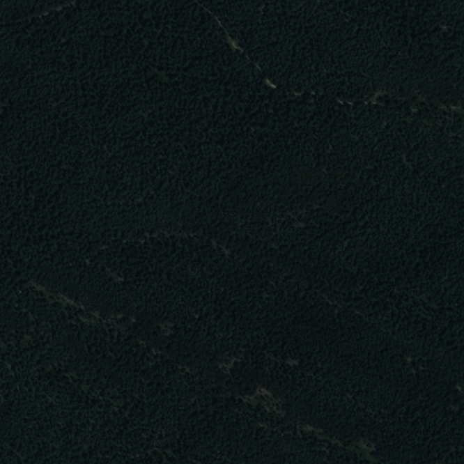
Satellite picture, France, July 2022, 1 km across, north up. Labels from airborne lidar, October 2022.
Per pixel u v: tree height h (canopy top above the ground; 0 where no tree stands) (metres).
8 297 24
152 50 29
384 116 20
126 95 21
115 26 23
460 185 12
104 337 12
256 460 14
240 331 19
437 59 23
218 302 18
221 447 18
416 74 20
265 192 21
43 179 23
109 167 13
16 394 22
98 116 13
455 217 22
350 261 23
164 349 26
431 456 20
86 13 17
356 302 29
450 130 14
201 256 21
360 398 18
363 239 13
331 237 9
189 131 13
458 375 16
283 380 21
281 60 25
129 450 32
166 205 16
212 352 18
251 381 21
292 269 18
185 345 23
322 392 23
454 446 28
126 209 15
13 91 23
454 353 19
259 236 14
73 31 7
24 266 27
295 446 18
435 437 25
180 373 17
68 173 22
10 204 23
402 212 20
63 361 23
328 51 24
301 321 17
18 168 7
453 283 19
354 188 17
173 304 18
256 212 18
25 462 15
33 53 15
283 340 17
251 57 9
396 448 25
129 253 12
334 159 18
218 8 20
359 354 19
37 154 28
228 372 20
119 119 31
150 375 27
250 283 17
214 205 11
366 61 22
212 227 14
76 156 14
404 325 15
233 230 18
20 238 26
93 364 23
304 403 19
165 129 12
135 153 10
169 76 12
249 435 14
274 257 23
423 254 25
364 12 27
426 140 22
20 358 18
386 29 16
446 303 30
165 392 27
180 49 14
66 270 19
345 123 20
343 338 14
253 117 20
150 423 23
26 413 21
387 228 22
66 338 17
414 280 12
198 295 8
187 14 18
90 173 25
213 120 14
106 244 21
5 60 8
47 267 21
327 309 19
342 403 23
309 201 22
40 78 22
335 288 21
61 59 28
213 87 31
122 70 19
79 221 22
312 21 22
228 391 22
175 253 18
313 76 8
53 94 8
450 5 14
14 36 30
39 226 20
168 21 25
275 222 18
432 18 19
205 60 22
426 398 17
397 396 20
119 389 11
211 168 21
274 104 20
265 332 10
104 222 19
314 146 17
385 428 21
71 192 18
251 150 8
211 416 23
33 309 22
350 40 17
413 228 16
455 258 21
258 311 9
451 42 24
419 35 23
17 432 24
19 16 22
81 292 21
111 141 16
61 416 20
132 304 23
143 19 35
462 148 18
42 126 20
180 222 21
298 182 15
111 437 27
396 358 25
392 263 15
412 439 20
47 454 25
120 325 22
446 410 20
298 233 23
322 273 24
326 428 26
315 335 18
